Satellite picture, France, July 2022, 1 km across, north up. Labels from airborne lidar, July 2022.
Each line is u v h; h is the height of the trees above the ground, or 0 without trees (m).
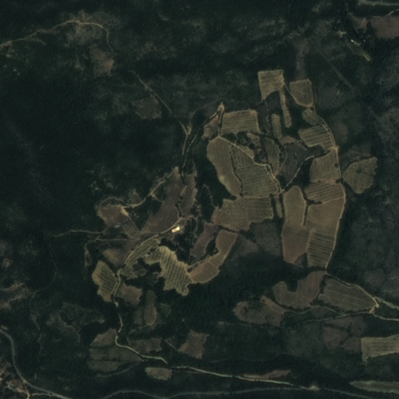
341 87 8
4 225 7
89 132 7
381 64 7
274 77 0
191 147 7
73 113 5
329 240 0
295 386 7
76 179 10
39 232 8
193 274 0
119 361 6
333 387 6
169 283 0
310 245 0
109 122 6
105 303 7
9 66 6
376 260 0
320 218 0
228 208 0
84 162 7
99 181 7
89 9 6
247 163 0
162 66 6
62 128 8
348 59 7
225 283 7
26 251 7
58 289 8
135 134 8
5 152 7
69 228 7
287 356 10
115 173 6
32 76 9
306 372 9
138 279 9
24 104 8
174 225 0
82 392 6
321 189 0
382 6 6
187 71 8
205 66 6
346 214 7
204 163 11
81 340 8
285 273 12
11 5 6
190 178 0
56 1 7
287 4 6
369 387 0
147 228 0
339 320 0
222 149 0
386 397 9
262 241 0
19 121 10
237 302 7
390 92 5
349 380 6
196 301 19
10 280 7
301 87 0
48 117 9
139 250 0
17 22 7
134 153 6
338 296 0
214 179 8
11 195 6
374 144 9
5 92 11
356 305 0
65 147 6
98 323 11
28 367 6
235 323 7
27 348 9
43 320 12
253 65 6
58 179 6
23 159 6
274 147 0
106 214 0
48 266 7
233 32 6
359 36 16
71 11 6
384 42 6
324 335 0
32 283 9
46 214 9
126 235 7
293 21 8
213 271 0
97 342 0
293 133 6
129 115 7
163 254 0
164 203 0
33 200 7
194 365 7
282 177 8
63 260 11
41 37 6
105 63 0
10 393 7
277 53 7
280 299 0
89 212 7
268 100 8
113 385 6
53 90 10
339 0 8
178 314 6
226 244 0
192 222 7
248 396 7
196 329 10
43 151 6
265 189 0
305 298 0
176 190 0
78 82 6
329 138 0
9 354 7
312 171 0
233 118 0
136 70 9
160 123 7
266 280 10
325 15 7
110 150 7
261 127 11
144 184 7
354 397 10
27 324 7
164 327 12
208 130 0
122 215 0
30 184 6
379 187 9
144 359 7
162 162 6
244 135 7
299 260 0
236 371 9
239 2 10
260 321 0
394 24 0
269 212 0
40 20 7
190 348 0
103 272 0
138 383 9
